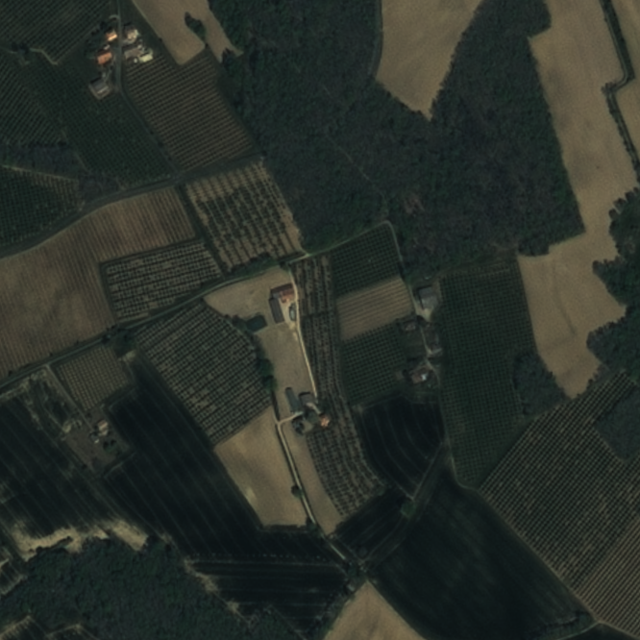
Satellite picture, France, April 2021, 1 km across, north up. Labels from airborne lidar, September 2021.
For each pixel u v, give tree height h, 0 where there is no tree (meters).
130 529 0
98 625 23
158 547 25
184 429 0
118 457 0
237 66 24
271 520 0
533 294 0
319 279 5
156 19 0
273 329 0
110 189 15
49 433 0
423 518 0
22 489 0
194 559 0
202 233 9
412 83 0
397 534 0
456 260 19
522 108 21
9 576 0
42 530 0
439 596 0
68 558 20
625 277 19
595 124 0
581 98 0
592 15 0
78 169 16
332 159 20
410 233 16
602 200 0
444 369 0
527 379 22
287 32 21
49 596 18
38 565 16
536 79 19
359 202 26
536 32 14
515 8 20
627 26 0
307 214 18
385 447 0
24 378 0
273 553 0
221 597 0
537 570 0
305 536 0
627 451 17
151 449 0
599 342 21
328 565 0
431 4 0
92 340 0
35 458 0
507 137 19
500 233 17
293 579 0
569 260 0
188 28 11
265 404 6
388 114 16
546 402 18
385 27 0
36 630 0
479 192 14
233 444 0
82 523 0
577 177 0
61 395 0
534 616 0
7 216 6
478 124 18
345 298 0
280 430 0
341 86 22
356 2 20
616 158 0
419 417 0
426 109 0
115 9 0
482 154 21
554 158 19
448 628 0
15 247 0
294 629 0
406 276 20
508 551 0
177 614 25
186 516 0
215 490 0
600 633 0
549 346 0
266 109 23
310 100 16
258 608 0
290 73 21
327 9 21
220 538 0
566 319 0
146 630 24
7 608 17
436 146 15
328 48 19
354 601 10
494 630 0
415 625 0
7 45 0
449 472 0
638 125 0
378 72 0
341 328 0
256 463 0
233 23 21
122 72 0
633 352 23
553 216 15
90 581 20
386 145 20
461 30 0
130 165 6
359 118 20
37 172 16
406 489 0
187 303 0
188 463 0
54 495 0
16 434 0
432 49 0
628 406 17
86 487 0
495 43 19
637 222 0
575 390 0
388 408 0
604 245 0
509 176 21
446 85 15
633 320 19
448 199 19
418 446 0
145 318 0
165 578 24
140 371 0
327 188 22
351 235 23
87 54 7
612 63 0
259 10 18
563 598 0
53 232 0
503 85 19
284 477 0
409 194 19
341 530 0
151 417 0
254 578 0
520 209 14
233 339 6
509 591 0
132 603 23
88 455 0
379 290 0
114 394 0
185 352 6
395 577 0
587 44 0
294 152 21
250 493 0
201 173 0
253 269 17
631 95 0
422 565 0
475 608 0
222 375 6
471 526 0
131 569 28
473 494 0
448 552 0
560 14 0
